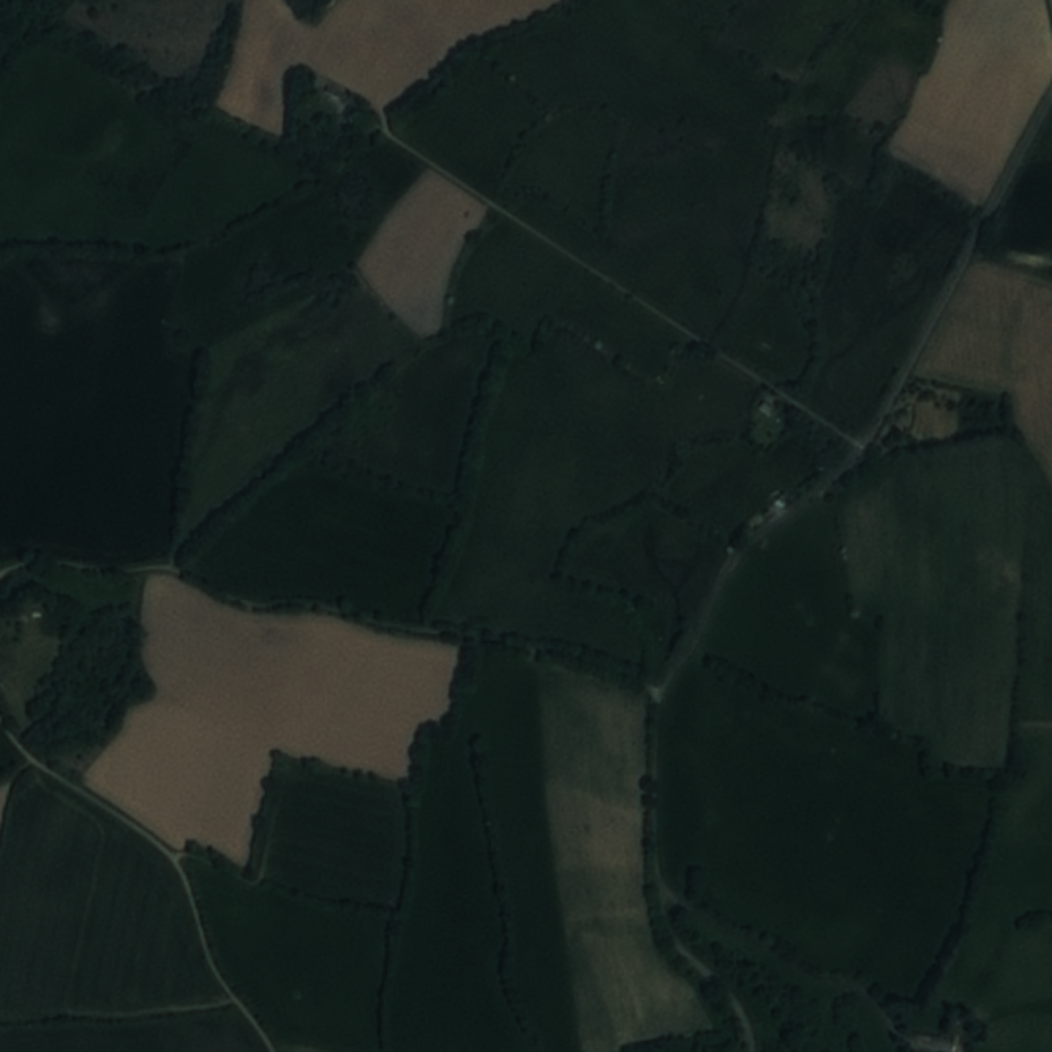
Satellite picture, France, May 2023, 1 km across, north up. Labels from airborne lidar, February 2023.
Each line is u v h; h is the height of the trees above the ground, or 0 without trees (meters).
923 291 0
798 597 0
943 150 0
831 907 0
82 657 9
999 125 0
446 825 0
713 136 0
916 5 6
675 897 0
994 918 0
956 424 0
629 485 0
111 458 0
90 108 0
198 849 12
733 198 0
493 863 7
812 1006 9
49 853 0
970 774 12
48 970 0
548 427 0
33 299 0
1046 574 0
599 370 0
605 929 0
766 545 0
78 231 0
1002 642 0
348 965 0
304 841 0
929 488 0
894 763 0
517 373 0
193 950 0
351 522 0
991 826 10
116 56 10
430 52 0
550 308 0
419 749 13
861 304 0
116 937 0
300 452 16
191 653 0
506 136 0
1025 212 0
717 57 0
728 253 0
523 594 0
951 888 0
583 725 0
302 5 11
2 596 16
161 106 11
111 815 0
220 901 0
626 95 0
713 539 6
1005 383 0
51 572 14
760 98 0
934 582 0
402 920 7
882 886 0
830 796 0
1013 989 0
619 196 0
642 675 15
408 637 7
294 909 0
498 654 13
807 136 0
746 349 0
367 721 0
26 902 0
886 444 9
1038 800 0
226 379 0
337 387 0
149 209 0
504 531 0
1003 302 0
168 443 0
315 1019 0
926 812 0
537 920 0
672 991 0
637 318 0
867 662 0
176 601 0
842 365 0
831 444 11
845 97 0
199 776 0
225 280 0
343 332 0
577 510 0
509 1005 9
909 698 0
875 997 14
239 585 0
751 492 0
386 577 0
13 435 0
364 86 0
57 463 0
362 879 0
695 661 0
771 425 0
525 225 0
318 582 0
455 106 0
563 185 0
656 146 0
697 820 0
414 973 0
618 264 0
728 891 0
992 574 0
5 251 16
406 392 0
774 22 0
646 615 12
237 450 0
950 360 0
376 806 0
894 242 0
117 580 12
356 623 11
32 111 0
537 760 0
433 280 0
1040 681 0
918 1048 0
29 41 9
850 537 0
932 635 0
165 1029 0
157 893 0
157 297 0
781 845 0
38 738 8
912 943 0
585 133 0
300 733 0
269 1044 0
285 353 0
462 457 10
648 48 0
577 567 0
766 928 0
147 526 0
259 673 0
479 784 11
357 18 0
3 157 0
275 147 10
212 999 0
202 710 0
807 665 0
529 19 6
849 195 7
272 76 0
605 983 0
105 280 0
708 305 0
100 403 0
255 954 0
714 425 0
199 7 0
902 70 0
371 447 0
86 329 0
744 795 0
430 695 0
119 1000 0
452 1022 0
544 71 0
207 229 0
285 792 0
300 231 0
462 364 0
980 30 0
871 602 0
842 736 0
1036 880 0
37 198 0
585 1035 0
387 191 0
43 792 0
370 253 0
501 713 0
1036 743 0
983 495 0
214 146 0
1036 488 0
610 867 0
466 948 0
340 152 10
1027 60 0
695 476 0
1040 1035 0
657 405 0
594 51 0
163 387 0
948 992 0
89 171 0
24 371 0
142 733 0
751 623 0
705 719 0
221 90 7
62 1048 0
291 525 0
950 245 0
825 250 7
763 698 14
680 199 0
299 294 0
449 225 0
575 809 0
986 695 0
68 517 0
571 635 0
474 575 0
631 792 0
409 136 0
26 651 0
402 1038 0
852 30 0
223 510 10
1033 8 0
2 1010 0
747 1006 0
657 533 0
